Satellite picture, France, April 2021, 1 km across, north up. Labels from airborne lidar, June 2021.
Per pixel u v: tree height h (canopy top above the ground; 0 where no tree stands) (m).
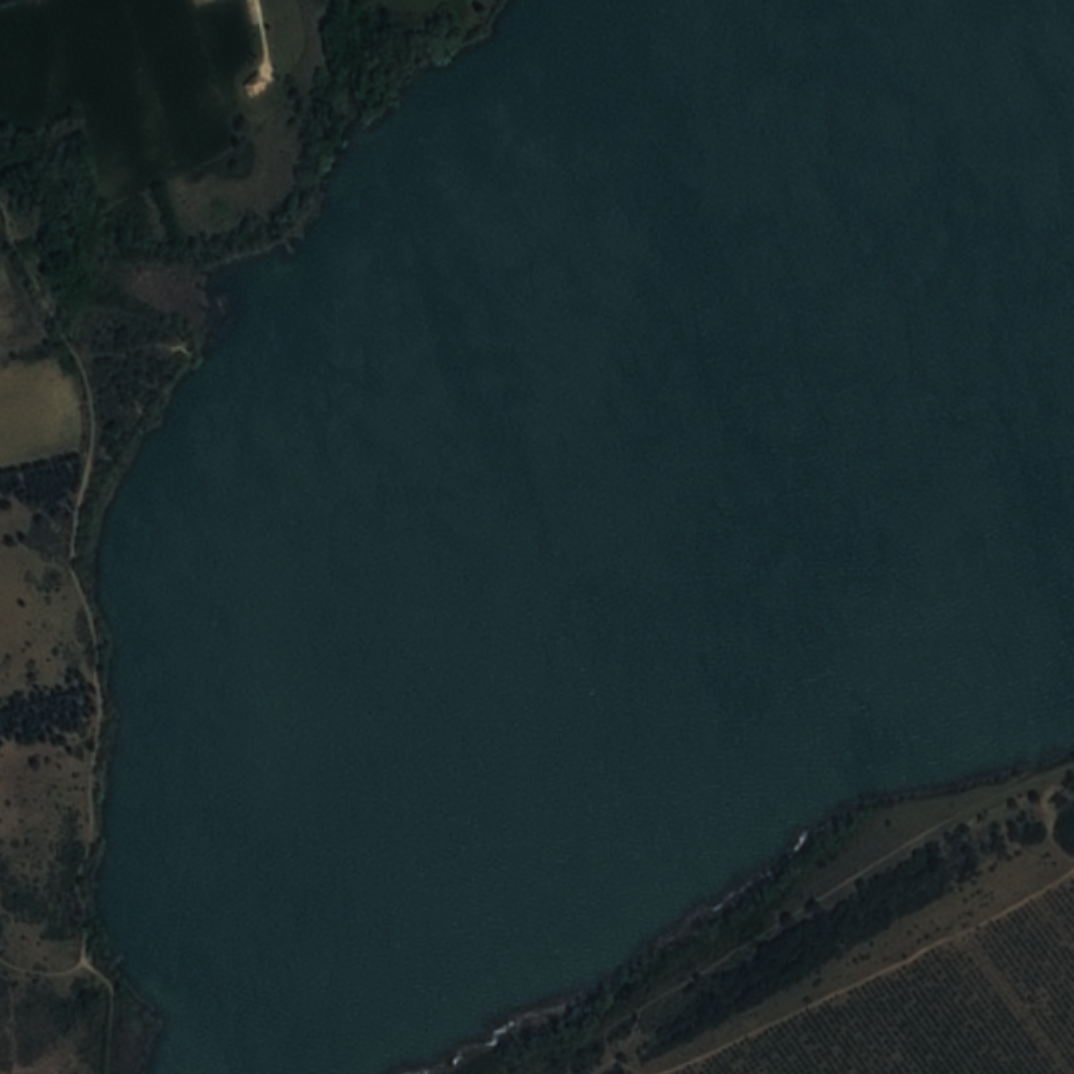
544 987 0
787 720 0
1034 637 0
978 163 0
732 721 0
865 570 0
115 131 0
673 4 0
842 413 0
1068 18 0
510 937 0
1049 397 0
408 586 0
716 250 0
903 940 0
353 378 0
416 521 0
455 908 0
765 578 0
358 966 0
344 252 0
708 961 0
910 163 0
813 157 0
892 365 0
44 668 0
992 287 0
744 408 0
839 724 0
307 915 0
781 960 7
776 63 0
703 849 0
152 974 0
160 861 0
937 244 0
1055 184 0
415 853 0
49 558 0
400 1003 0
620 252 0
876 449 0
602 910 0
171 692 0
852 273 0
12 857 0
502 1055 11
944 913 0
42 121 0
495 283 0
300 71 0
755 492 0
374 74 17
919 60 0
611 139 0
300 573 0
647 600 0
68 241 17
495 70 0
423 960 0
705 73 0
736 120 0
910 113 0
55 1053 0
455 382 0
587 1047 6
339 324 0
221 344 0
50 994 0
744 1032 0
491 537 0
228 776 0
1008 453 0
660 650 0
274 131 0
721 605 0
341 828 0
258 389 0
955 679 0
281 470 0
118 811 0
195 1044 0
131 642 0
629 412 0
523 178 0
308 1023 0
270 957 0
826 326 0
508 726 0
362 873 0
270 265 0
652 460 0
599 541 0
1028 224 0
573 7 0
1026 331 0
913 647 0
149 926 0
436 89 0
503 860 0
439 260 0
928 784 0
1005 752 0
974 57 0
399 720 0
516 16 0
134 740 0
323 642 0
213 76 0
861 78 0
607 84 0
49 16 0
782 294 0
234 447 0
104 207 12
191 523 0
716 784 0
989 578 0
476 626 0
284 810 0
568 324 0
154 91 0
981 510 0
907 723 0
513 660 0
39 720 9
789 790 0
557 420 0
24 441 0
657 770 0
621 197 0
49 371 0
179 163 0
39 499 11
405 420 0
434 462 0
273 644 0
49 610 0
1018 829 6
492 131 0
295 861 0
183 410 0
